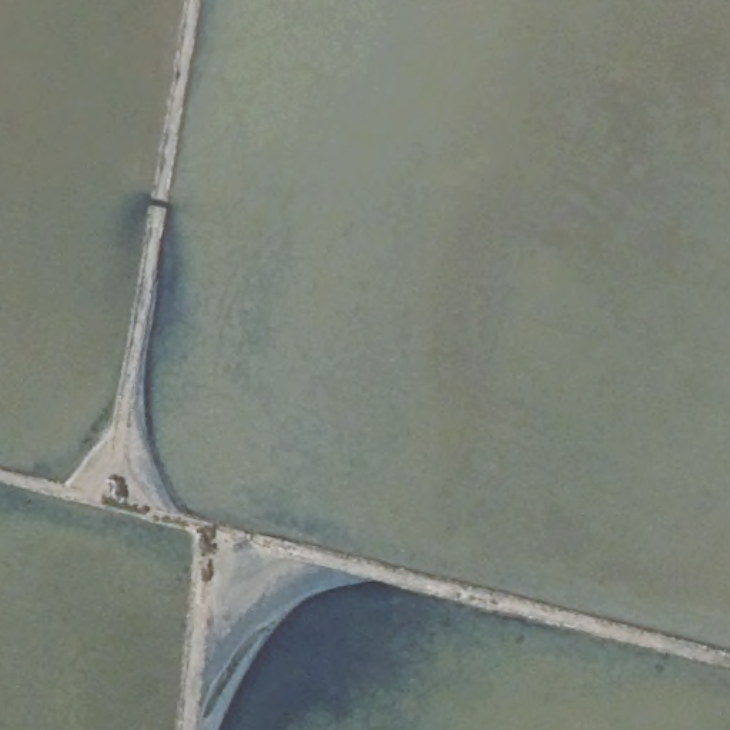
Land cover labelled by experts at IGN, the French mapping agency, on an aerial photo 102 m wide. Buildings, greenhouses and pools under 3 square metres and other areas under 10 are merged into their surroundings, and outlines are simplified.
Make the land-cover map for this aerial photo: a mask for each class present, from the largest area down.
<instances>
[{"label":"water","instance_id":"1","mask_svg":"<svg viewBox=\"0 0 730 730\"><path fill-rule=\"evenodd\" d=\"M185 0H0V471L48 482H66L77 471L83 456L97 445L100 433L108 428L120 394L123 362L128 354L131 314L143 294L137 274L145 248V222L151 208H163L165 220L154 271V302L140 365V433L154 468L157 490L174 510L200 522H211L220 530L268 536L297 548L371 562L388 570L462 585L471 590L499 593L508 599L587 616L605 624H619L684 644H699L707 650H724L730 656V0H200L194 51L188 63V83L177 128L171 188L165 200H160L154 197V191L157 171H163L165 157L160 151V131L165 125L168 94L174 83V57L183 43L180 20ZM191 610V536L185 530H171L154 522L103 513L94 505L43 496L0 482V730H177L183 707V662ZM220 730H730V659L724 664H707L662 653L653 647H639L616 639H602L585 630L525 619L516 613L482 610L465 602L405 590L374 579H359L308 596L268 633L248 673L242 676L220 721Z\"/></svg>","mask_w":730,"mask_h":730},{"label":"pervious surface","instance_id":"2","mask_svg":"<svg viewBox=\"0 0 730 730\"><path fill-rule=\"evenodd\" d=\"M200 0H185L180 20L183 43L174 57V83L168 94L165 125L160 131V151L165 157L163 171H157L154 191V197L160 200H165L171 188L177 128L188 83V63L194 51ZM165 220L163 208H151L145 222V248L137 274L143 294L131 314L128 354L123 362L120 394L108 428L100 433L97 445L83 456L77 471L66 482H48L0 471V482L43 496L94 505L103 513L154 522L171 530H185L191 536V610L183 662V707L177 730H220V721L242 676L248 673L268 633L308 596L359 579H374L405 590L465 602L482 610L516 613L525 619L585 630L602 639H616L639 647H653L662 653L707 664H724L730 659V656L724 650H707L699 644H684L619 624H605L587 616L508 599L499 593L471 590L462 585L388 570L371 562L297 548L268 536L220 530L211 522H200L174 510L157 490L154 468L140 433V365L154 302V271Z\"/></svg>","mask_w":730,"mask_h":730}]
</instances>
